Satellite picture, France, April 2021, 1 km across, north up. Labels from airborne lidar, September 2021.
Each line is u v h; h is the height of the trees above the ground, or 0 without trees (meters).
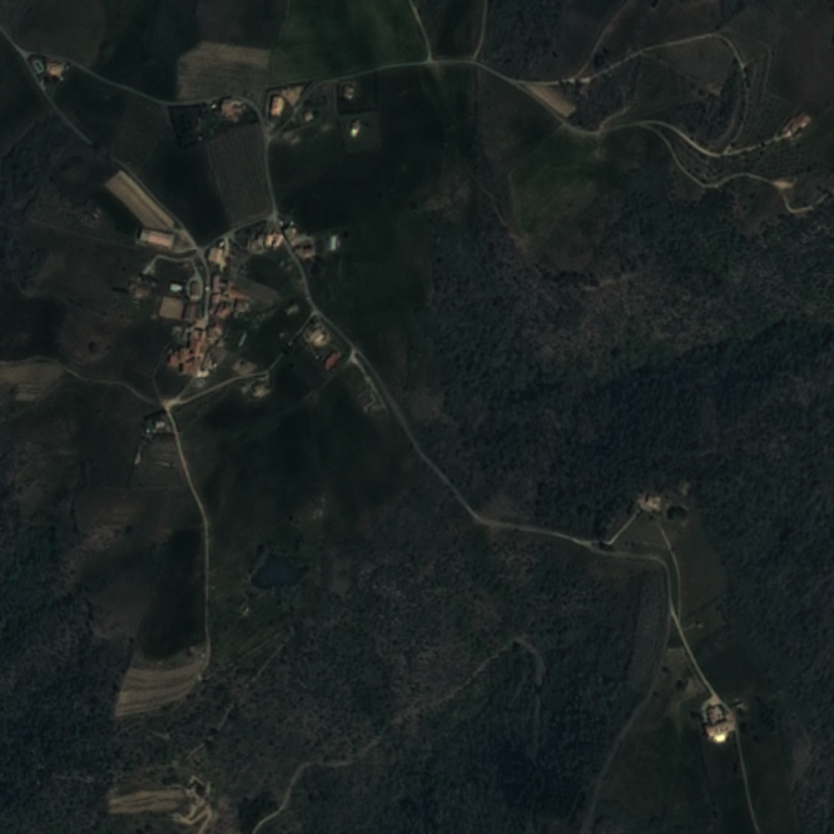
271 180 0
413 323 0
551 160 0
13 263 11
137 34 0
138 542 0
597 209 0
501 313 17
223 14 0
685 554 0
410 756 12
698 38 0
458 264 8
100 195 0
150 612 0
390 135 0
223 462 0
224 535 0
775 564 12
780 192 0
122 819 6
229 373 0
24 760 8
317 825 17
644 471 16
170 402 0
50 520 0
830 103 6
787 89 0
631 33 0
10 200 11
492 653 7
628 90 8
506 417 16
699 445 17
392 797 13
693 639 0
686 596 0
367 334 0
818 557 7
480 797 9
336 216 0
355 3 0
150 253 0
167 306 0
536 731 13
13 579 15
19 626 8
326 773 11
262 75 0
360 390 0
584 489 13
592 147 0
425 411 0
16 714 8
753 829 0
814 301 7
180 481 0
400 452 0
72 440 0
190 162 0
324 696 6
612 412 20
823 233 8
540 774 19
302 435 0
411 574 6
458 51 0
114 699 7
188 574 0
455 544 7
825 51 0
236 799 11
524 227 0
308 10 0
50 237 0
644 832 12
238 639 0
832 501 8
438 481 0
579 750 17
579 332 8
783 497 11
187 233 0
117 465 0
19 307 0
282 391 0
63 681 7
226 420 0
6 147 0
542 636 9
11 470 0
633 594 0
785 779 0
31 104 0
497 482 0
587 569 0
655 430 12
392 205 0
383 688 8
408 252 0
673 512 11
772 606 11
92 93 0
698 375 15
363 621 6
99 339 0
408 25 0
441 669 0
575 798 22
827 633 8
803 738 0
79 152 0
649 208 7
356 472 0
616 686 7
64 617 10
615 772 0
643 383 22
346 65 0
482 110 0
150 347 0
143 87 0
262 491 0
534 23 18
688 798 0
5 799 11
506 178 0
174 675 0
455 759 13
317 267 11
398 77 0
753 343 8
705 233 8
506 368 8
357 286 0
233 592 0
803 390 7
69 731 6
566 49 0
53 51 0
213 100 0
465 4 0
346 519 0
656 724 0
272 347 0
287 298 0
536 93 0
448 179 0
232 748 6
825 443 8
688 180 0
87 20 0
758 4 0
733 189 7
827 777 8
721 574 0
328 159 0
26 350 0
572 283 11
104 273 0
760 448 11
